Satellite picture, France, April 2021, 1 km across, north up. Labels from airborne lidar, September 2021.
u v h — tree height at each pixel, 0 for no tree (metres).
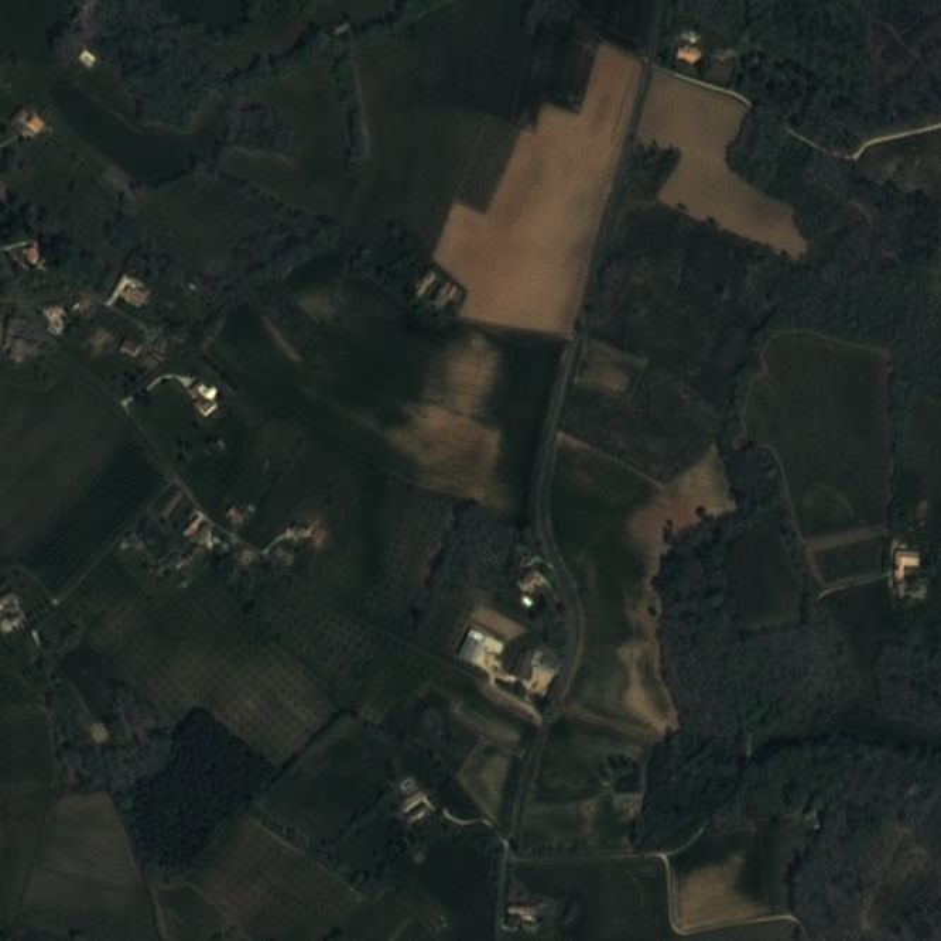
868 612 0
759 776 26
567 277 0
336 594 0
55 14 0
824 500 0
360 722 12
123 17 17
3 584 8
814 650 18
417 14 17
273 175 0
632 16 0
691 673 17
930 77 20
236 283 8
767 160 12
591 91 0
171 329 8
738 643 18
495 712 0
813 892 20
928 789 17
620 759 0
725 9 20
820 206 12
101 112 0
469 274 0
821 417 0
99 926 0
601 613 0
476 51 0
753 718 22
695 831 7
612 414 0
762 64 14
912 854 0
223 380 8
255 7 20
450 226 0
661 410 0
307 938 0
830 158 20
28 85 0
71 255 22
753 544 0
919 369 12
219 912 0
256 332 0
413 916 0
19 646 0
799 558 11
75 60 12
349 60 15
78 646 15
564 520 0
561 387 0
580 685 0
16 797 0
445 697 0
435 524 10
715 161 0
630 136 0
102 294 11
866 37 26
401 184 0
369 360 0
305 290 0
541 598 6
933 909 9
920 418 0
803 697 22
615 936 0
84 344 0
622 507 0
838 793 18
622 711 0
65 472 0
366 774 0
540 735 0
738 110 0
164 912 0
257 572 9
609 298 14
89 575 0
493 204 0
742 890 0
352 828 10
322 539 0
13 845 0
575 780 0
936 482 0
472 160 0
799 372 0
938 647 14
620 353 9
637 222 0
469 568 22
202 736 18
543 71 0
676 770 11
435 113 0
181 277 19
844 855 17
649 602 0
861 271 12
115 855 0
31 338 6
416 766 0
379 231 0
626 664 0
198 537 0
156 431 0
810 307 12
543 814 0
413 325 0
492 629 0
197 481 0
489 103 0
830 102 17
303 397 0
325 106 0
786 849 0
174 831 16
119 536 0
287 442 0
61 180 0
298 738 0
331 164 0
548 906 0
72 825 0
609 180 0
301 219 12
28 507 0
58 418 0
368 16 0
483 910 0
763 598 0
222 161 19
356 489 0
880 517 0
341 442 0
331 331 0
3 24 0
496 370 0
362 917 0
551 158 0
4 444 0
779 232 0
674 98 0
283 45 0
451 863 0
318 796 0
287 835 10
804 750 21
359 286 0
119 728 21
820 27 19
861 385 0
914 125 22
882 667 16
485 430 0
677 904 0
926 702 16
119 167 0
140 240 27
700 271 9
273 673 0
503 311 0
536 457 0
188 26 14
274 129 13
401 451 0
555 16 13
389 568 10
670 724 0
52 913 0
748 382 12
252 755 15
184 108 16
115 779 20
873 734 0
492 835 12
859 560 0
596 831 0
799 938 12
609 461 0
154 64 18
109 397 0
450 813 8
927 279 20
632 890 0
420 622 18
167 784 19
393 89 0
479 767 0
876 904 0
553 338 0
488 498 0
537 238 0
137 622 0
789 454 0
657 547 0
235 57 0
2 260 10
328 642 12
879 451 0
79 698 0
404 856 16
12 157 14
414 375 0
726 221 0
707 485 0
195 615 7
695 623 22
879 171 0
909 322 12
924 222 27
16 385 0
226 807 17
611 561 0
